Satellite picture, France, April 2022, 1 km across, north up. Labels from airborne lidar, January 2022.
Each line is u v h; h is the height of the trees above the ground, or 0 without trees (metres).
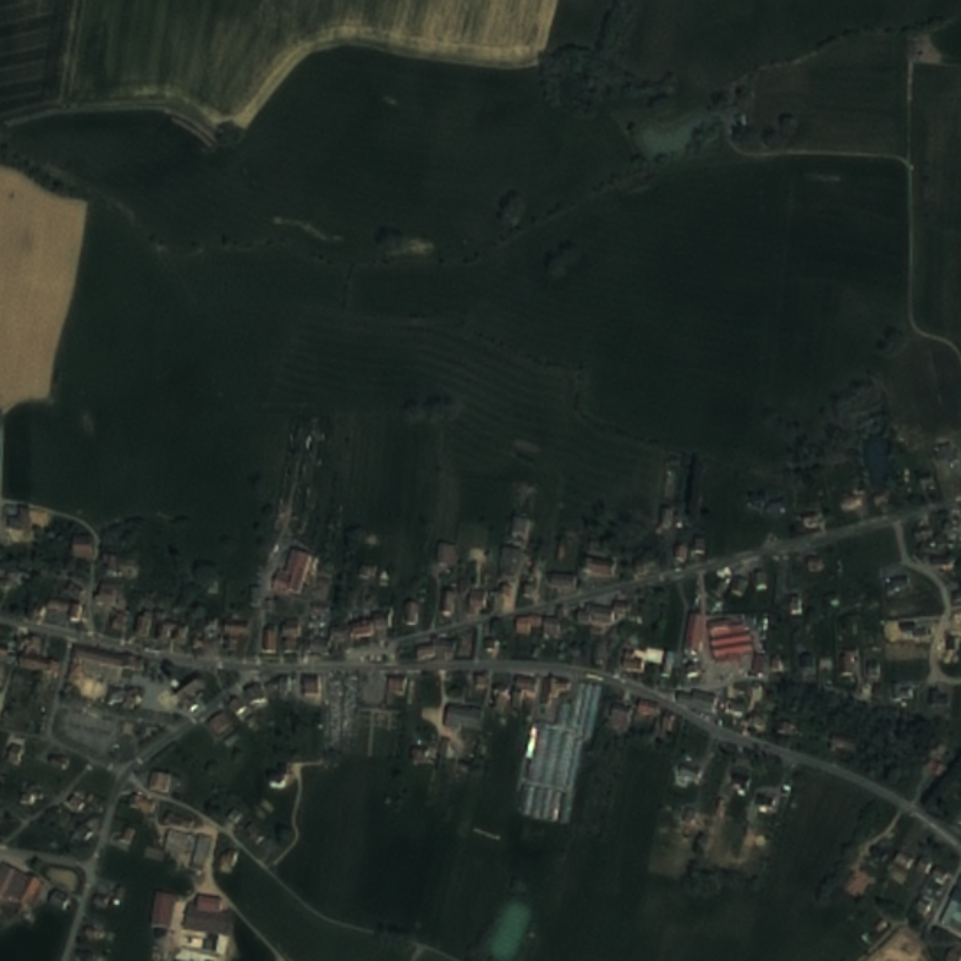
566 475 0
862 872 0
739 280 0
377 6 0
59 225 0
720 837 0
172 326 0
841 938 0
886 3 0
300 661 0
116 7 0
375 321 0
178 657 0
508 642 0
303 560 0
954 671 0
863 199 0
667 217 0
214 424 0
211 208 0
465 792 0
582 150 0
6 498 0
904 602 0
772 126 0
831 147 0
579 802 0
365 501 0
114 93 0
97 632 0
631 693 0
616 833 0
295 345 0
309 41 0
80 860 0
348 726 0
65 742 0
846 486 0
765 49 0
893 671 0
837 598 7
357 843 0
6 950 0
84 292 0
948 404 0
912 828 0
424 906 0
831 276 0
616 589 0
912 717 9
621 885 0
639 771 0
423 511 0
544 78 11
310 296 0
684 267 0
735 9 0
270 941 0
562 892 0
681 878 0
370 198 0
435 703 0
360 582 0
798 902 0
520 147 0
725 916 0
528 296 0
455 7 0
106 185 0
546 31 0
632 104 0
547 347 0
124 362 0
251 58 0
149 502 0
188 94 0
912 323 0
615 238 0
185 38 0
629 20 13
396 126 0
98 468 0
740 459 0
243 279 0
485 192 0
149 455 0
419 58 0
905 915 12
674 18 0
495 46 0
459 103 0
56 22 0
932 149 0
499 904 0
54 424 0
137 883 0
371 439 0
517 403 0
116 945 0
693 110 0
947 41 0
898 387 0
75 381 0
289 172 0
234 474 0
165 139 0
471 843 0
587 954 0
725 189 0
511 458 0
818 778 0
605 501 0
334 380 0
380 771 0
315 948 0
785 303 0
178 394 0
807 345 0
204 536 0
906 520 0
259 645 0
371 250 0
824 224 0
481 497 0
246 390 0
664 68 0
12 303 0
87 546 0
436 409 17
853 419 18
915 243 0
